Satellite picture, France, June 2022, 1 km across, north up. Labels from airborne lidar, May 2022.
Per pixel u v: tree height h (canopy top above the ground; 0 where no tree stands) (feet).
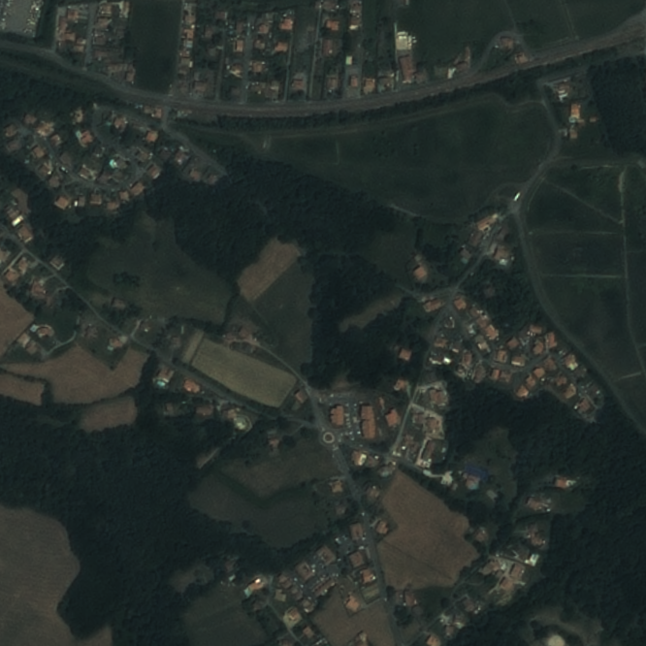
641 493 94
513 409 82
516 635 57
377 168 0
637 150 18
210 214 79
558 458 44
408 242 0
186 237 72
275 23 20
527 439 76
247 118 26
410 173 0
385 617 0
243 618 0
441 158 0
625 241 0
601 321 0
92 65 40
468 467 0
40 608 0
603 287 0
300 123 43
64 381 0
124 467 95
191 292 0
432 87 0
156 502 72
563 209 0
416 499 0
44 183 33
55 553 0
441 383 0
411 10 0
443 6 0
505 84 49
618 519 72
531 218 0
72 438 47
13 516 0
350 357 84
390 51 25
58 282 0
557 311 0
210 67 36
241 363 0
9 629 0
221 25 35
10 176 42
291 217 67
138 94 0
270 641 19
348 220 74
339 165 0
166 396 53
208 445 28
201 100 0
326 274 66
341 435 0
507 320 39
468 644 26
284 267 0
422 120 0
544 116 0
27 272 0
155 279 0
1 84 73
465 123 0
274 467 0
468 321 0
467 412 61
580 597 70
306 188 82
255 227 51
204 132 0
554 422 38
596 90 30
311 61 0
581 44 0
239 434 23
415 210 0
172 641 77
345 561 30
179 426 53
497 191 0
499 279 37
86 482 87
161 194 58
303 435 38
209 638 0
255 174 88
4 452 97
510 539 40
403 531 0
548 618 0
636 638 32
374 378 63
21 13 0
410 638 0
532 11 0
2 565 0
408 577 0
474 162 0
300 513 0
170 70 0
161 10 0
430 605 0
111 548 91
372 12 0
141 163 19
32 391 0
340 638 0
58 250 52
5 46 0
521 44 0
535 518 29
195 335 0
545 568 61
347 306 69
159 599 76
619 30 0
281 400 0
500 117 0
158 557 51
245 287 0
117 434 30
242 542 67
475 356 24
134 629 77
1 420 37
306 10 0
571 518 55
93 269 0
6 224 52
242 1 28
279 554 63
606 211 0
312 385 55
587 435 56
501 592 0
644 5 0
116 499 89
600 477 24
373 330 70
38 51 0
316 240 72
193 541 44
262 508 0
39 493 55
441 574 0
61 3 29
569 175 0
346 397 0
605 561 60
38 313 41
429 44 0
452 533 0
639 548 72
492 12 0
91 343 0
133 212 42
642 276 0
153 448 96
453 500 23
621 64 47
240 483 0
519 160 0
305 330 0
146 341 0
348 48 38
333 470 0
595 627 0
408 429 0
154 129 25
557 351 30
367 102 0
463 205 0
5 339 0
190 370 21
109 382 0
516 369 0
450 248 46
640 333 0
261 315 0
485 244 0
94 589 67
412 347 57
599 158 0
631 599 68
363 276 68
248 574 43
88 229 41
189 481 87
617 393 0
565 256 0
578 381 28
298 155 0
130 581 65
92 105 25
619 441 79
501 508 63
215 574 31
